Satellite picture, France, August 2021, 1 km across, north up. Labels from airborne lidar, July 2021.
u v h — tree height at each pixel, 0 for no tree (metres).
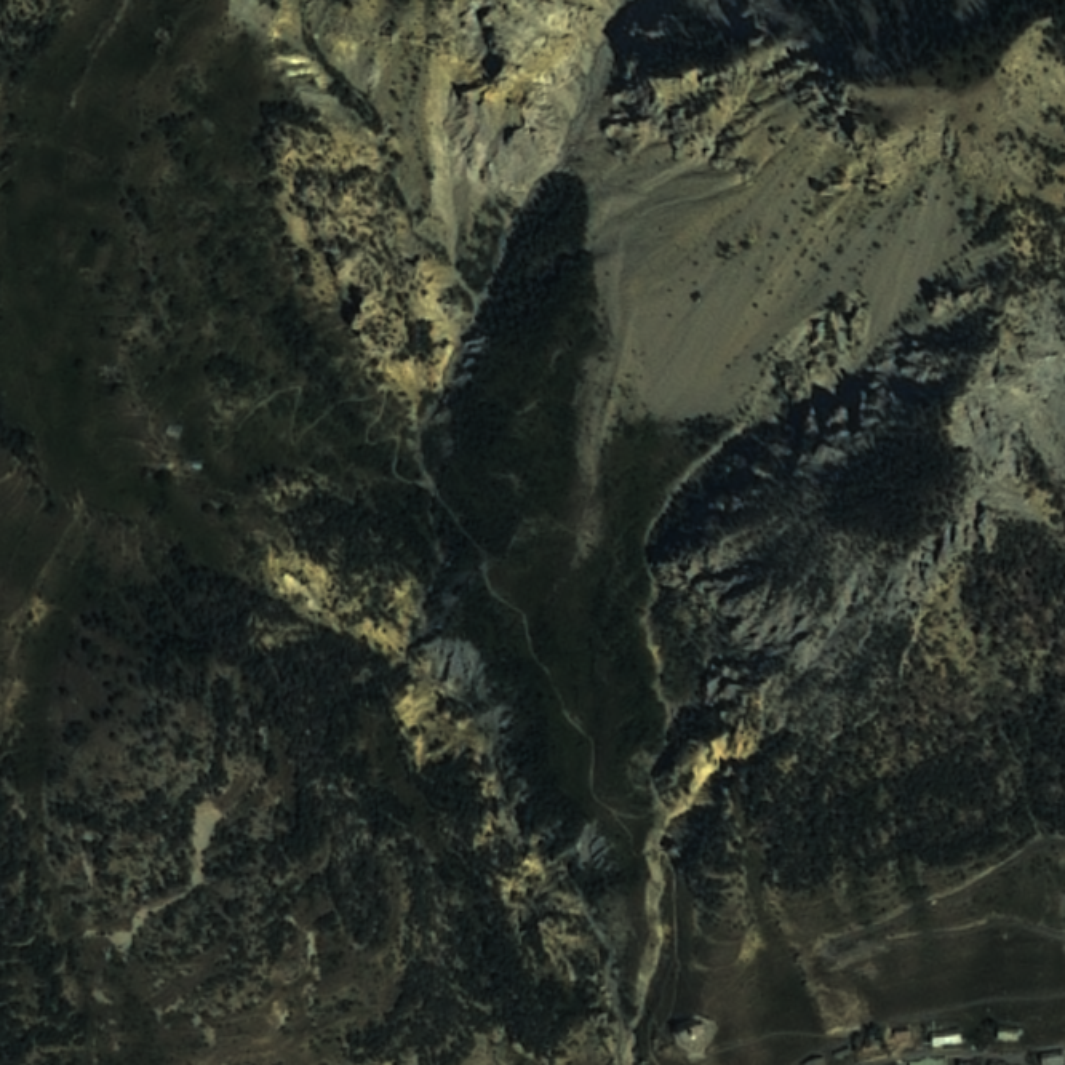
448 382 0
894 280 0
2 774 8
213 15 0
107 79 0
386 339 6
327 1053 0
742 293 0
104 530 0
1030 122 0
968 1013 0
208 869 7
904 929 0
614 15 0
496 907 8
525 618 0
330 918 7
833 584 6
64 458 0
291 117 15
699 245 0
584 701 0
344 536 9
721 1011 0
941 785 10
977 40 9
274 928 6
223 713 8
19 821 11
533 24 0
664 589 8
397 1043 6
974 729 8
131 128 0
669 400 0
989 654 8
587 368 0
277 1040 0
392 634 0
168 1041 0
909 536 8
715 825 8
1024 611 12
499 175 0
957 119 0
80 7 0
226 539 0
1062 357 0
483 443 7
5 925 9
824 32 7
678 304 0
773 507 6
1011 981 0
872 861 7
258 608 12
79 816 8
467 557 11
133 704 0
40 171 0
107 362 0
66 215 0
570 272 11
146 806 11
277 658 12
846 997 0
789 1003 0
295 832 7
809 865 8
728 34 7
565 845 9
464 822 7
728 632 10
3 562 0
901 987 0
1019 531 9
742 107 0
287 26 0
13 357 0
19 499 0
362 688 7
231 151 0
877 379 0
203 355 0
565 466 0
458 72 0
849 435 0
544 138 0
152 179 0
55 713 0
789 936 0
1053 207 7
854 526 8
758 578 7
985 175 0
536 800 9
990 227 9
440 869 7
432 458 6
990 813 11
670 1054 0
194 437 0
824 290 0
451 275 0
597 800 0
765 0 0
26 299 0
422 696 0
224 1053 0
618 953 0
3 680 0
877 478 11
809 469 0
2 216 0
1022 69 0
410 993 9
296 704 11
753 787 14
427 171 6
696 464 0
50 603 0
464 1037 8
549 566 0
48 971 8
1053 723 17
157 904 0
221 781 8
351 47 0
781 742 8
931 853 10
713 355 0
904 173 0
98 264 0
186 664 6
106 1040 0
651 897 0
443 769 8
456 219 0
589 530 0
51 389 0
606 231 0
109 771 0
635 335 0
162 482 14
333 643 7
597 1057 0
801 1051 0
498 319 11
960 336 8
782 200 0
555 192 13
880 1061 0
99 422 0
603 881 9
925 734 16
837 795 7
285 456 0
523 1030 10
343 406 6
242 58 0
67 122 0
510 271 12
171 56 0
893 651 7
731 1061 0
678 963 0
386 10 0
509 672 6
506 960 8
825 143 0
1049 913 0
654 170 0
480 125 0
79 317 0
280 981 0
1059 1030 0
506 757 7
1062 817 8
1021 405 0
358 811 8
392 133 6
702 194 0
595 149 0
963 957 0
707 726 8
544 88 0
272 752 6
